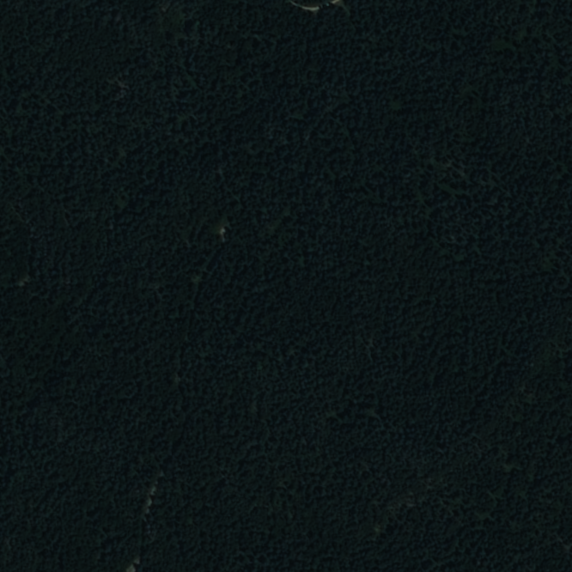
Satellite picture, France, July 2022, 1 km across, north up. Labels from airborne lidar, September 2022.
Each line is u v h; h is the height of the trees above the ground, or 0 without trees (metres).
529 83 28
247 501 13
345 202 23
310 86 12
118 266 15
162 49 23
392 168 20
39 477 11
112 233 21
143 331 24
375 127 31
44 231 25
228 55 25
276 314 15
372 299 17
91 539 20
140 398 19
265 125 23
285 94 16
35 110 30
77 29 23
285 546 18
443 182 18
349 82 18
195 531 22
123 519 20
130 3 19
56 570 17
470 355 23
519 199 26
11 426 31
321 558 10
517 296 18
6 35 19
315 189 24
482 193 13
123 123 24
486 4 21
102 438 16
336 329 12
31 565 15
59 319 12
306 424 15
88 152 30
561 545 18
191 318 13
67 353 16
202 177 26
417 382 13
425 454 17
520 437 10
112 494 23
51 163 7
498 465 27
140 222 20
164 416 26
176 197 11
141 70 29
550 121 16
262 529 25
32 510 22
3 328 15
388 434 24
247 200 29
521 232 15
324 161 23
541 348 16
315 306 21
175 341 19
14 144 20
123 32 16
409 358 25
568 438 7
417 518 10
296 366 24
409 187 28
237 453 27
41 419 20
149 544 11
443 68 21
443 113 20
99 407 17
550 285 23
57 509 32
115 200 24
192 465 15
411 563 24
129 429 25
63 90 30
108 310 25
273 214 18
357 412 7
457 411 28
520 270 12
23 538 18
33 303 20
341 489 16
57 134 23
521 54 16
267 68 21
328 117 30
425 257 23
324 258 27
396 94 8
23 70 27
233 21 24
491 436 19
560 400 26
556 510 17
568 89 27
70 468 31
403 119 10
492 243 24
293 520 13
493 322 28
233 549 27
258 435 23
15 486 20
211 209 19
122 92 28
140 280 21
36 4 21
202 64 28
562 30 14
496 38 26
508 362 16
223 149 12
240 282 29
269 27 18
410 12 17
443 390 23
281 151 28
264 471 21
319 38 25
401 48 7
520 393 10
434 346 24
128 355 31
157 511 23
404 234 20
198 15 22
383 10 18
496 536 16
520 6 7
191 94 21
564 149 13
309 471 27
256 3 16
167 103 28
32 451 30
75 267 32
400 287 27
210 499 21
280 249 28
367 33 29
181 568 24
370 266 7
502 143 17
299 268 13
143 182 25
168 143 25
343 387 24
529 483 23
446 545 24
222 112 26
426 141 24
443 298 22
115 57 18
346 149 18
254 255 9
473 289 16
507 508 15
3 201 22
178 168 18
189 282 15
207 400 21
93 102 28
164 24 9
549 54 28
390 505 18
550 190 19
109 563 12
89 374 16
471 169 22
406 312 18
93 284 7
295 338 16
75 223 29
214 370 24
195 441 15
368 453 26
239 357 24
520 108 23
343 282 21
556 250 18
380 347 30
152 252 14
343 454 23
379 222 20
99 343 12
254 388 22
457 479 21
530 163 23
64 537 18
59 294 30
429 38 26
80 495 24
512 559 19
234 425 25
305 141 27
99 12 25
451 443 18
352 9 5
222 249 16
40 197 23
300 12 24
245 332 10
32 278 9
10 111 33
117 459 20
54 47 21
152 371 11
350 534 15
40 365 15
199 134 6
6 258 17
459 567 22
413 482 14
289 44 31
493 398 13
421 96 16
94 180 10
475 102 25
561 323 18
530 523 17
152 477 28
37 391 25
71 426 18
